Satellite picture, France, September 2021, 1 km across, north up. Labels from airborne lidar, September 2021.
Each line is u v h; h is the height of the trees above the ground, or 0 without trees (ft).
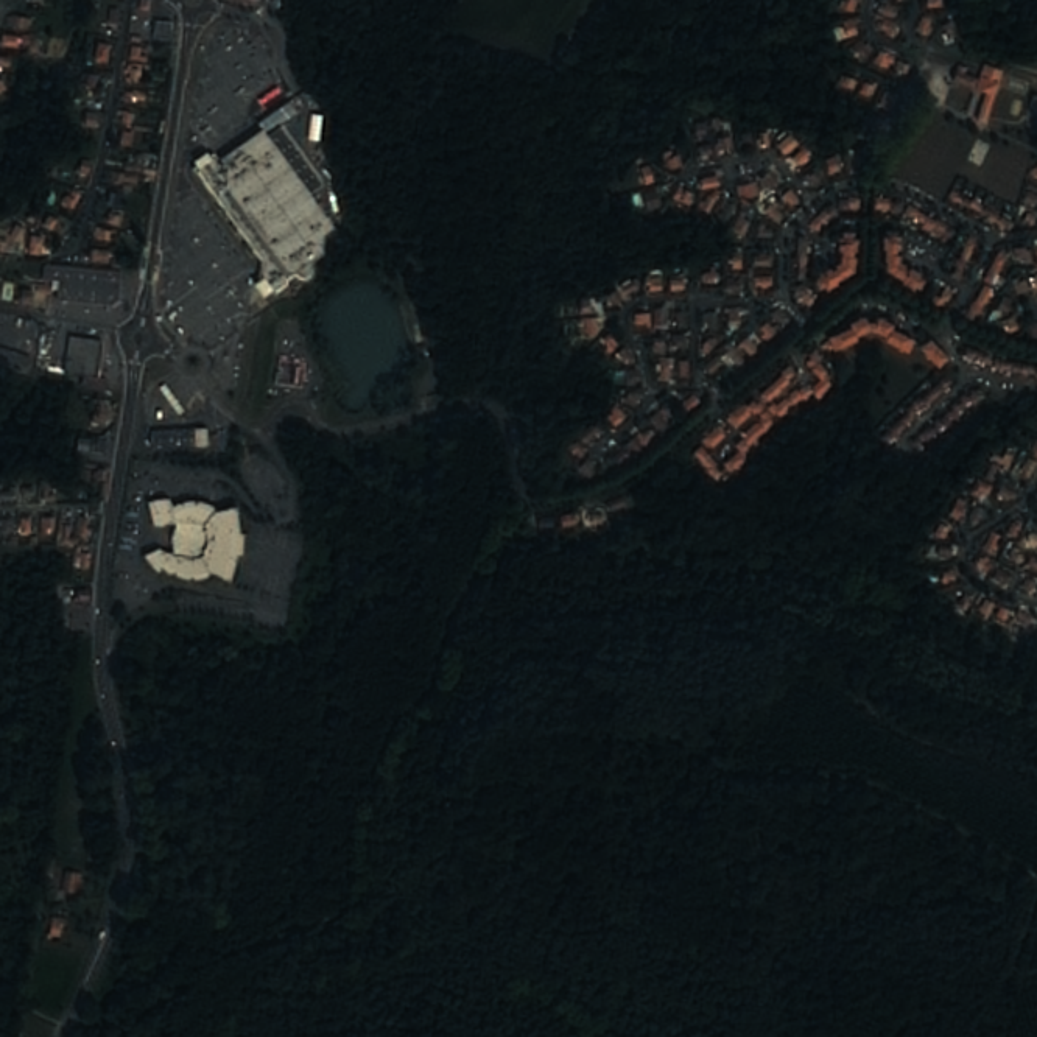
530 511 27
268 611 0
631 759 53
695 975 49
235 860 58
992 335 42
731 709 109
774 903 66
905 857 66
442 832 47
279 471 0
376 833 56
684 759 58
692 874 79
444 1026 34
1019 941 25
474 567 61
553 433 85
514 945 61
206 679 56
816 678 57
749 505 70
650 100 63
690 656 97
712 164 0
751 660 101
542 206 71
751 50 88
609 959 67
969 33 61
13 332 0
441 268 57
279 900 54
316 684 64
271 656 63
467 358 73
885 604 70
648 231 69
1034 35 63
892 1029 61
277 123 0
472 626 60
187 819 98
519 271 65
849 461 80
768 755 27
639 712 106
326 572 24
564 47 58
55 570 25
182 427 0
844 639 87
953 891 36
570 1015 81
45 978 0
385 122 67
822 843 72
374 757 51
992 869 29
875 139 112
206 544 0
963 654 48
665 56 86
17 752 50
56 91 62
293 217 0
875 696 48
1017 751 40
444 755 71
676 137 43
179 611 30
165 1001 47
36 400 29
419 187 65
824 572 59
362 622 62
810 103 89
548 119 75
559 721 90
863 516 72
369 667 69
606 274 73
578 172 75
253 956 61
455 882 76
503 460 55
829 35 50
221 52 0
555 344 78
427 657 61
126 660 56
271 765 66
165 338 0
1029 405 39
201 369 0
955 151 0
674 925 85
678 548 77
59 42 0
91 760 67
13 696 38
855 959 52
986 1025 48
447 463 71
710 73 81
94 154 0
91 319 0
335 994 31
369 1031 41
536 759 75
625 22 68
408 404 40
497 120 39
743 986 22
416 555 48
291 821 63
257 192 0
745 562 50
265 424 0
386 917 40
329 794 55
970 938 37
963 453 58
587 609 62
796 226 25
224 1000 66
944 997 45
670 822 65
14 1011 48
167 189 0
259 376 0
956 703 94
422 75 44
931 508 50
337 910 42
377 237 44
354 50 69
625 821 67
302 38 68
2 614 52
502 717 84
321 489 40
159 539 0
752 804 78
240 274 0
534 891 73
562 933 51
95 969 0
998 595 28
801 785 90
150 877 88
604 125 75
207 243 0
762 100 90
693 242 45
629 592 36
